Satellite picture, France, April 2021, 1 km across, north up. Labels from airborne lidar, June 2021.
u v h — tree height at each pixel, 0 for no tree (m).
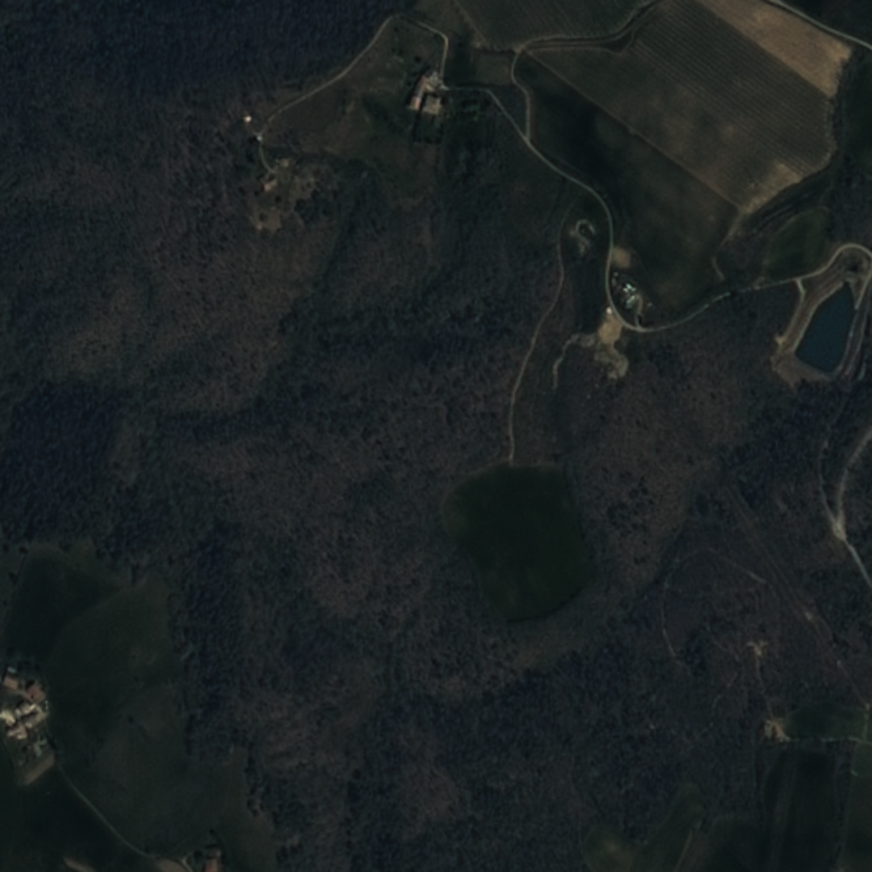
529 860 10
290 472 6
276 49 9
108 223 6
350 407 9
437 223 10
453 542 7
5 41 8
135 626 0
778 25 0
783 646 12
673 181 0
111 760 0
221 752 7
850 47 0
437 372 11
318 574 8
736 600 10
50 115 12
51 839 0
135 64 8
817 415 15
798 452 10
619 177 0
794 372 0
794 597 0
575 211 0
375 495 16
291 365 8
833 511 7
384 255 11
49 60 10
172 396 9
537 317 10
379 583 14
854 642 8
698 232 0
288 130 0
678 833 0
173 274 8
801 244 0
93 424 11
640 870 0
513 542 0
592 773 14
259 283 8
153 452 18
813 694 10
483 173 28
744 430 6
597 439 6
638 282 0
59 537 13
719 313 12
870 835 0
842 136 19
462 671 14
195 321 8
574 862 10
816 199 0
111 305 8
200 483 17
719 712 12
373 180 6
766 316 12
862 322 0
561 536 0
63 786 0
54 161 6
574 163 0
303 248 15
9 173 6
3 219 8
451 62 0
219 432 9
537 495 0
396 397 7
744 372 8
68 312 11
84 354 7
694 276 0
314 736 15
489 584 0
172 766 0
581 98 0
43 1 11
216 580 15
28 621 0
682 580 10
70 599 0
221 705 14
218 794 0
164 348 7
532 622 8
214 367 8
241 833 0
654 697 12
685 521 10
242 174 7
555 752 13
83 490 11
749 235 0
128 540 13
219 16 12
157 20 13
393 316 13
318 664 18
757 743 9
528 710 18
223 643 14
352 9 7
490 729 19
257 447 10
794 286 9
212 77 9
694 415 10
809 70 0
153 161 12
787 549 11
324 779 15
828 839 0
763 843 0
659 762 11
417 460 8
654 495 6
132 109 12
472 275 9
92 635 0
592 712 13
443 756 14
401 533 13
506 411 9
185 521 8
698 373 8
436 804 14
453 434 8
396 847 21
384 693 8
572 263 10
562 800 13
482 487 0
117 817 0
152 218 10
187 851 0
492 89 9
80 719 0
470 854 9
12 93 8
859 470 10
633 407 6
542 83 0
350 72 0
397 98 0
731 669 11
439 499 10
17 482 19
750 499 14
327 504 13
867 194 15
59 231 9
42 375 12
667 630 13
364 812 19
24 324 12
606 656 12
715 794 11
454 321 12
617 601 10
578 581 0
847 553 6
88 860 0
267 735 13
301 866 10
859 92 0
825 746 8
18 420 21
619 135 0
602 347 0
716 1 0
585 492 8
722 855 0
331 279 11
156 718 0
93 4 16
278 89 8
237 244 11
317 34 12
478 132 0
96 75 9
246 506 7
